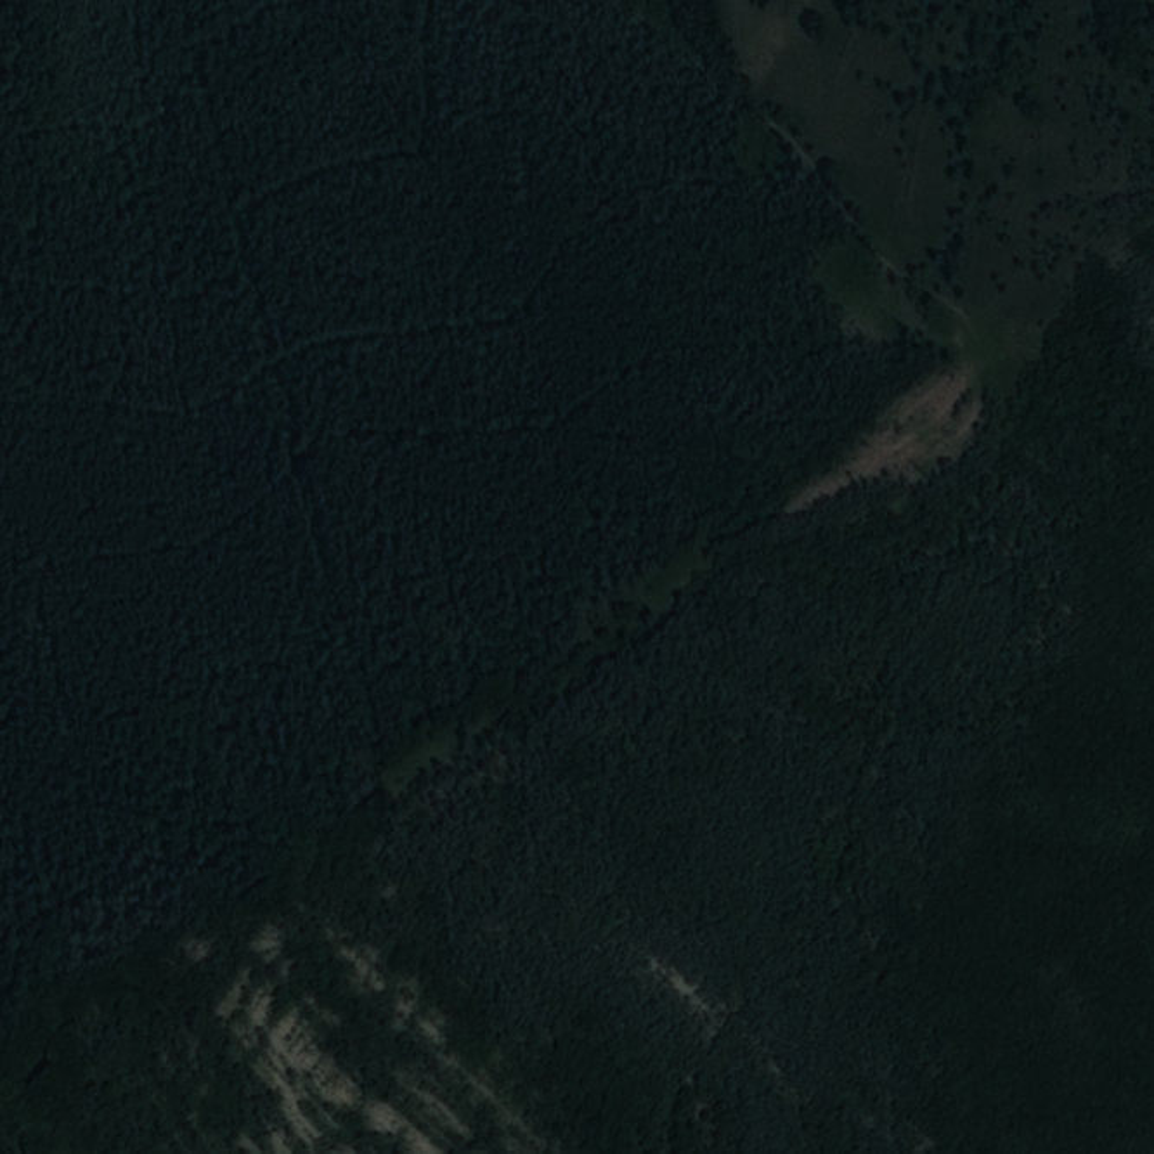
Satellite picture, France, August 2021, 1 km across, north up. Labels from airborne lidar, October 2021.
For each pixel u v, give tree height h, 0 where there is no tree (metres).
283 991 15
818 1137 18
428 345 23
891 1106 11
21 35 18
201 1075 12
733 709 23
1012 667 23
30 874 22
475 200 18
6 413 25
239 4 24
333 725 23
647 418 19
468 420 21
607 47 18
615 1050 19
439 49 16
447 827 24
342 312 22
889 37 17
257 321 17
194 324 27
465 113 20
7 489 20
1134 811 12
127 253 23
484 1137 9
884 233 0
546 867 18
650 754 23
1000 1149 12
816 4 0
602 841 10
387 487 26
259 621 23
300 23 20
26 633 24
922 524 18
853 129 0
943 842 16
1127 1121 15
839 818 10
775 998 17
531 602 16
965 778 18
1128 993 15
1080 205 9
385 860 14
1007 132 0
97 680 20
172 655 22
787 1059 16
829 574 22
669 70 25
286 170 24
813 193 23
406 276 26
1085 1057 17
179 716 23
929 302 17
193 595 25
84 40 12
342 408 20
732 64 15
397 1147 10
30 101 21
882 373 15
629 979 15
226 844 19
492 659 18
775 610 21
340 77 21
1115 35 15
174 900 23
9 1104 21
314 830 18
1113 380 16
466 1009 17
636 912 22
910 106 17
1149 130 0
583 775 18
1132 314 11
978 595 20
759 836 16
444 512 25
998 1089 10
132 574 25
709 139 19
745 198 16
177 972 7
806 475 16
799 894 18
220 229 20
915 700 19
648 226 17
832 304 8
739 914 17
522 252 17
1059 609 15
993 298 0
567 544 22
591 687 20
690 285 21
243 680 22
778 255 22
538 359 19
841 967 13
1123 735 17
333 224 23
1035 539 18
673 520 22
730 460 15
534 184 20
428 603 17
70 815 25
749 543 18
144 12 16
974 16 9
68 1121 17
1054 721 19
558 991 21
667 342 17
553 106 22
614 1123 19
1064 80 9
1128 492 12
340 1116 7
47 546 28
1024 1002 15
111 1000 11
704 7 19
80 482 26
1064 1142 16
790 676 16
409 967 13
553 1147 6
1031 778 14
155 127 19
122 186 21
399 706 17
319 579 21
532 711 6
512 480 20
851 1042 17
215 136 14
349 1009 12
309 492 11
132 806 16
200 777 20
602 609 21
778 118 15
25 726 23
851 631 17
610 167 16
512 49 17
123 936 23
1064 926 19
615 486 22
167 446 23
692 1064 14
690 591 8
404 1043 11
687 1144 21
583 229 10
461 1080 6
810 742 22
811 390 17
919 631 23
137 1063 7
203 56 14
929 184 0
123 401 27
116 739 24
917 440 0
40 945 22
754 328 27
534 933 17
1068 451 18
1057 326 7
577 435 21
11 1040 18
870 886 20
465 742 25
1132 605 17
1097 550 19
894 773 21
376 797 16
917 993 16
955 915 16
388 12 18
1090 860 18
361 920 11
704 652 26
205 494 22
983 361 0
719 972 13
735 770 19
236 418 24
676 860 16
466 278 21
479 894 20
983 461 17
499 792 7
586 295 18
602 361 20
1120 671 15
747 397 17
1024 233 0
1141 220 6
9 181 21
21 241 24
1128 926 19
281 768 16
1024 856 18
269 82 20
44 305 21
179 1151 14
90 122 11
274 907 13
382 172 20
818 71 0
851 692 18
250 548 17
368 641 23
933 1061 7
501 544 21
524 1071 12
